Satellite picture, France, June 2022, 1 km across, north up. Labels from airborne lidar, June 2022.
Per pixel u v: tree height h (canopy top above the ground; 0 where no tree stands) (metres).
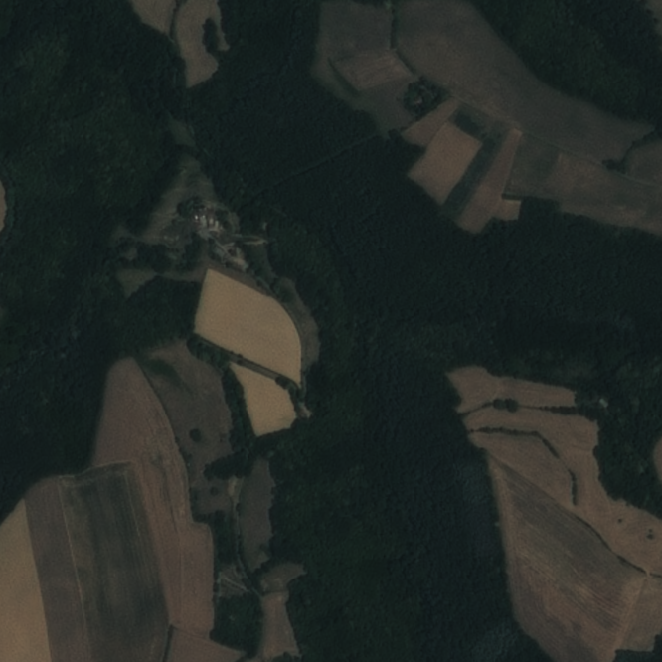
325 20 0
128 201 12
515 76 0
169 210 0
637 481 9
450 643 25
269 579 0
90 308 20
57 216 21
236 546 7
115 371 0
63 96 15
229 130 16
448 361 16
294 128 15
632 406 15
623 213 0
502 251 31
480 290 26
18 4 25
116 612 0
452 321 23
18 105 18
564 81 13
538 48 18
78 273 30
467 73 0
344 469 18
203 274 0
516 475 0
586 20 23
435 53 0
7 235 16
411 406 26
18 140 13
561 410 11
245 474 11
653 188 0
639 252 12
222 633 6
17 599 0
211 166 14
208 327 0
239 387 15
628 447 13
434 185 0
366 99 0
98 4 20
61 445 24
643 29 23
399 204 17
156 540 0
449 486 22
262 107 10
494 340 19
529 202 13
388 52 0
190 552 0
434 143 0
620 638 0
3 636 0
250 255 11
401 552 25
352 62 0
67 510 0
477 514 18
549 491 0
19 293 18
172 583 0
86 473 0
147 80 9
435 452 25
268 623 0
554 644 0
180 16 0
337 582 19
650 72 24
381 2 13
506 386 0
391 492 7
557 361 8
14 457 25
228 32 23
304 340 0
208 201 0
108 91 10
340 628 19
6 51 28
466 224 0
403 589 24
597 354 12
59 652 0
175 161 14
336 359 21
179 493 0
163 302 20
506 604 17
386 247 19
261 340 0
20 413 23
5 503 24
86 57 7
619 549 0
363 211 23
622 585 0
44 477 16
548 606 0
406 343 13
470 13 0
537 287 20
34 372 25
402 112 0
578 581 0
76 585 0
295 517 22
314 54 14
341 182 19
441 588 28
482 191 0
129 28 18
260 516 0
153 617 0
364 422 20
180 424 0
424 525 24
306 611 22
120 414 0
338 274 22
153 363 0
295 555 21
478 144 0
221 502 0
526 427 0
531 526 0
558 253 19
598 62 20
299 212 17
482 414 0
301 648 16
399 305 16
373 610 13
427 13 0
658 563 0
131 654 0
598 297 16
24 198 16
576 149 0
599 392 9
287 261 20
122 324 21
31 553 0
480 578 23
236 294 0
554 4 16
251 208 13
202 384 0
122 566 0
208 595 0
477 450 13
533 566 0
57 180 14
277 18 12
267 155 17
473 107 0
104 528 0
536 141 0
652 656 18
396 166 15
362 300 21
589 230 20
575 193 0
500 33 6
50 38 26
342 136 16
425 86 15
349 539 12
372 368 21
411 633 24
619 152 0
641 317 16
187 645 0
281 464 17
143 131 18
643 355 18
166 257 14
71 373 31
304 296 16
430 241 16
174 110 16
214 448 0
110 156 21
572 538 0
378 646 20
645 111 18
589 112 0
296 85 18
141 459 0
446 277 22
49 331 28
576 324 7
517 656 15
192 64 0
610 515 0
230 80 6
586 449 0
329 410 15
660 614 0
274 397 0
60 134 18
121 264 15
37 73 15
